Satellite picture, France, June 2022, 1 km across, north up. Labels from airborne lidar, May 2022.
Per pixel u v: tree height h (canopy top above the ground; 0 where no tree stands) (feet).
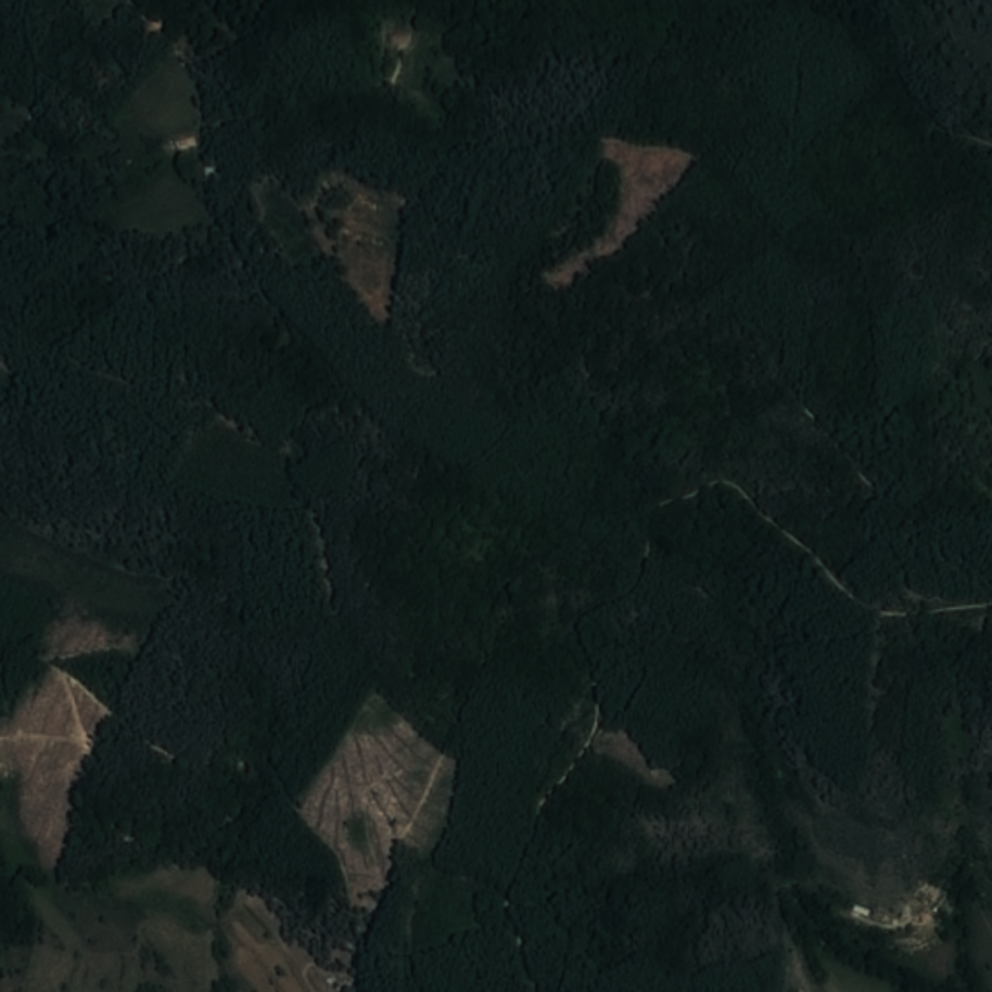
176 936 0
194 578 39
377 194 79
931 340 76
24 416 60
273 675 68
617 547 56
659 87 59
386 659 58
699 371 40
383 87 33
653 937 55
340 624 55
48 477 40
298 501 55
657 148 67
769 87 53
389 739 0
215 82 30
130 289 62
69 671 34
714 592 74
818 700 74
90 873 64
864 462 39
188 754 55
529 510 36
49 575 0
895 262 61
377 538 35
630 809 35
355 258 66
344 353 55
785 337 65
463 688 53
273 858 55
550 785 51
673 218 54
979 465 39
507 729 60
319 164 60
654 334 37
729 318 31
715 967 33
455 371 51
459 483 50
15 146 30
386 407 45
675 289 37
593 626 61
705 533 51
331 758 67
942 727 62
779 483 39
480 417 54
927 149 53
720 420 46
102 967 0
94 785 84
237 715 65
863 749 66
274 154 73
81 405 78
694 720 74
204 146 42
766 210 52
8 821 0
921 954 0
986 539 60
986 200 65
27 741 0
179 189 0
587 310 31
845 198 52
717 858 24
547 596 37
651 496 82
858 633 62
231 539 70
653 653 67
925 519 45
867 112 57
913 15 44
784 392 51
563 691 52
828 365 45
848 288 61
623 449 53
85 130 29
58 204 52
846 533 50
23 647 36
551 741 51
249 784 75
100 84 66
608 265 61
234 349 53
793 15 49
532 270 50
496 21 62
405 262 61
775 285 70
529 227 52
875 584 65
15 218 44
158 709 72
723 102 53
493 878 71
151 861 62
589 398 42
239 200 54
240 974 0
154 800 65
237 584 64
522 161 106
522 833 63
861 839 0
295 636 68
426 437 56
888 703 40
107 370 60
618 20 49
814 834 0
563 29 46
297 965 0
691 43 42
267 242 77
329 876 58
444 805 0
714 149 62
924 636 68
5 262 101
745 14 49
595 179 30
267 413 60
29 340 69
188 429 72
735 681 51
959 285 55
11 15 46
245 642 71
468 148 67
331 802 0
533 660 52
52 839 0
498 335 53
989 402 0
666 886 49
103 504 61
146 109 0
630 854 18
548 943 56
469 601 48
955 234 64
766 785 49
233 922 0
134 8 39
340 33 117
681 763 29
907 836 0
